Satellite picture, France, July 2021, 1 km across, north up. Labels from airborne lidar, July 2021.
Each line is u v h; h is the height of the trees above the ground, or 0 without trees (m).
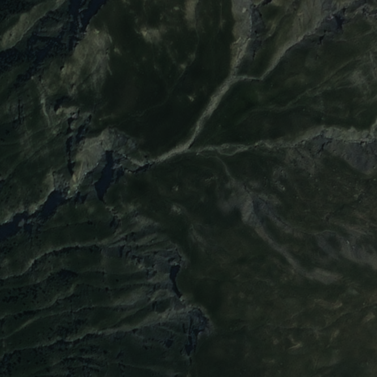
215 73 0
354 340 0
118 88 0
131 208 0
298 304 0
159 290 0
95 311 0
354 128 0
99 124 0
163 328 0
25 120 0
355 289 0
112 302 0
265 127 0
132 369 0
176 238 0
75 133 0
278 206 0
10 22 0
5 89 0
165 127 0
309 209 0
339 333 0
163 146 0
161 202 0
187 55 0
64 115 0
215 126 0
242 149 0
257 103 0
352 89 0
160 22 0
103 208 0
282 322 0
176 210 0
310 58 0
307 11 0
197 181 0
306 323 0
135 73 0
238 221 0
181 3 0
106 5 0
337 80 0
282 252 0
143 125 0
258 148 0
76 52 0
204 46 0
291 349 0
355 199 0
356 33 0
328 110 0
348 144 0
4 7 8
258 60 0
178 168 0
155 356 0
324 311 0
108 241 0
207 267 0
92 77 0
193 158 0
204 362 0
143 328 0
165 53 0
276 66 0
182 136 0
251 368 0
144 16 0
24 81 9
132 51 0
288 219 0
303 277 0
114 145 0
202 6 0
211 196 0
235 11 0
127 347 0
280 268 0
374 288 0
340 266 0
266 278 0
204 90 0
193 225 0
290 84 0
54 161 0
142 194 0
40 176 0
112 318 0
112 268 0
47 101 0
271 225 0
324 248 0
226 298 0
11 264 0
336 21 0
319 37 0
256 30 0
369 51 0
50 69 0
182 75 0
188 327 0
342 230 0
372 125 0
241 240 0
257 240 0
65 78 0
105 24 0
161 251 0
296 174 0
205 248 0
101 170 0
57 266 0
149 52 0
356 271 0
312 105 0
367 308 0
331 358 0
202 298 0
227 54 0
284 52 0
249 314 0
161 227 0
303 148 0
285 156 0
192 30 0
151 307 0
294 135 0
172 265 0
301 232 0
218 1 0
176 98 0
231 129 0
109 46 0
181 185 0
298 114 0
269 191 0
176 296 0
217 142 0
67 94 0
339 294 0
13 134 0
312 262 0
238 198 0
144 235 0
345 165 0
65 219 0
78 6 0
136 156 0
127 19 0
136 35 0
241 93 0
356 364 0
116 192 0
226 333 0
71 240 0
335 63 0
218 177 0
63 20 0
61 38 0
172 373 0
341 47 0
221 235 0
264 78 0
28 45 0
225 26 0
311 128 0
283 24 0
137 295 0
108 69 0
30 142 0
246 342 0
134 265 0
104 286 0
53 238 0
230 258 0
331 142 0
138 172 0
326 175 0
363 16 0
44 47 0
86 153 0
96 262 0
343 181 0
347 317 0
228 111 0
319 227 0
